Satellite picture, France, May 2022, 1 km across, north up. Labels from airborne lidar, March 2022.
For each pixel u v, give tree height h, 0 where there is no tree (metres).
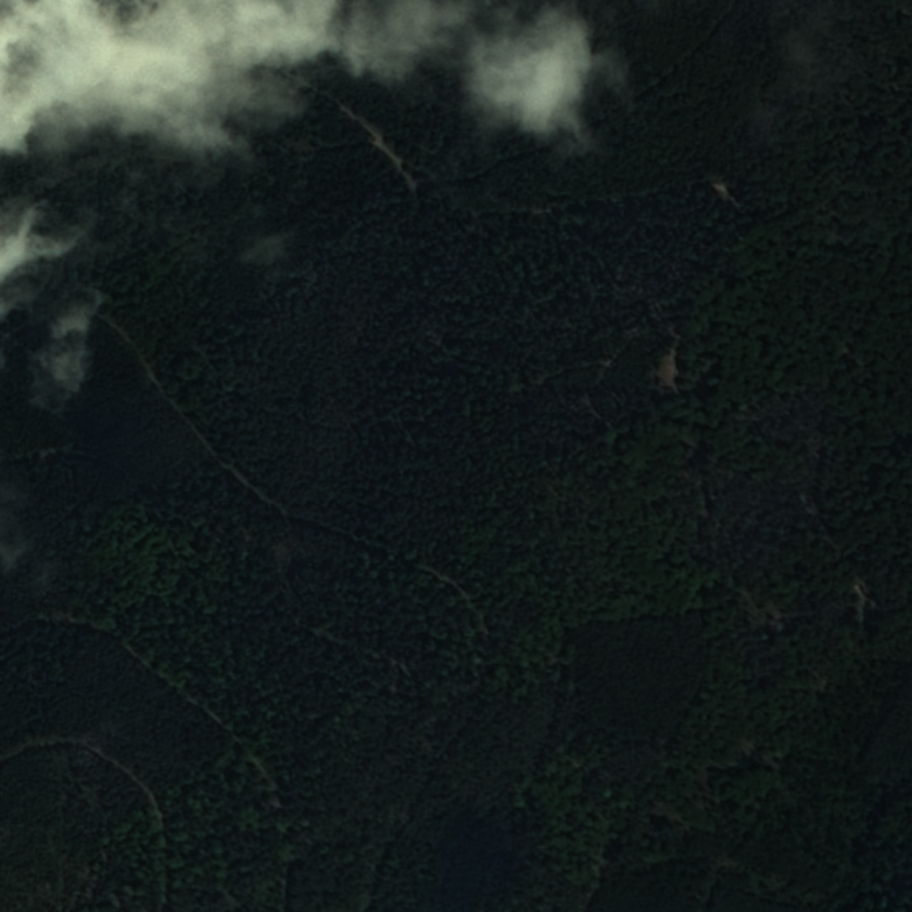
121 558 22
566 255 33
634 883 16
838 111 30
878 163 30
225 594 28
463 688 19
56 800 7
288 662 26
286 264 10
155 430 24
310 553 23
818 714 17
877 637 27
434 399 28
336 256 27
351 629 21
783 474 40
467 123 30
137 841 9
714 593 34
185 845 24
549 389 7
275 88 12
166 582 28
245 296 15
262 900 6
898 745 23
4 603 19
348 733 23
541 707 27
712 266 32
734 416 28
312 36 16
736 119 21
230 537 27
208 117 11
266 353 24
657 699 25
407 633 25
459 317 28
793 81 20
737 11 23
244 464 27
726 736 27
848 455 37
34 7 24
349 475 23
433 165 10
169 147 9
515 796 29
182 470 19
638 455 33
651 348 10
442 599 24
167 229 12
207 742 26
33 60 14
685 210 26
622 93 18
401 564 15
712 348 21
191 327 14
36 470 13
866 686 13
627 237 31
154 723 21
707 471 39
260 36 32
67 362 13
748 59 13
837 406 34
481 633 15
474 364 29
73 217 8
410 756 24
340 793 28
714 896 9
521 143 18
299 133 10
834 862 7
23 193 15
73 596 19
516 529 26
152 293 15
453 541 25
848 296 32
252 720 30
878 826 29
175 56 29
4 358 12
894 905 35
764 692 29
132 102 17
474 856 28
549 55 16
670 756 30
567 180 10
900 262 29
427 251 7
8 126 6
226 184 8
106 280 12
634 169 7
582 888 23
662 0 15
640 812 29
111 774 19
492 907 20
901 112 35
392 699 24
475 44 18
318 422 27
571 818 32
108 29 26
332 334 27
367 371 27
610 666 24
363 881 18
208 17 32
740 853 13
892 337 31
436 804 24
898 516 34
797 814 13
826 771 17
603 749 26
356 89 13
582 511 28
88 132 0
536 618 31
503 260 6
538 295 30
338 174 13
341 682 19
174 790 19
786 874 12
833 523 33
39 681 14
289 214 11
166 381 18
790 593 31
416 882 20
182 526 31
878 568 30
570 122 15
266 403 28
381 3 20
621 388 8
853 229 32
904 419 31
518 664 24
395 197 23
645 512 33
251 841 23
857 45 32
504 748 27
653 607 29
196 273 24
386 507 15
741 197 29
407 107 16
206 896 17
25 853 6
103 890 17
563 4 16
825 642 32
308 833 28
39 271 10
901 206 30
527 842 28
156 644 26
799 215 31
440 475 27
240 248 12
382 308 26
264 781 31
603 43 11
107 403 15
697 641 24
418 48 20
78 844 7
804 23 24
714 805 15
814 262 31
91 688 19
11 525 19
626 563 32
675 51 17
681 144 16
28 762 8
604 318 8
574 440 30
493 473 26
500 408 22
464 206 20
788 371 35
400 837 22
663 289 30
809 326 34
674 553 37
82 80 12
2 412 11
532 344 8
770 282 32
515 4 15
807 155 31
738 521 34
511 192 18
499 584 29
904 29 34
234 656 32
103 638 18
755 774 27
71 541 20
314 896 26
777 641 27
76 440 13
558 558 33
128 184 10
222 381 6
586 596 29
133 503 26
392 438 16
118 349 12
